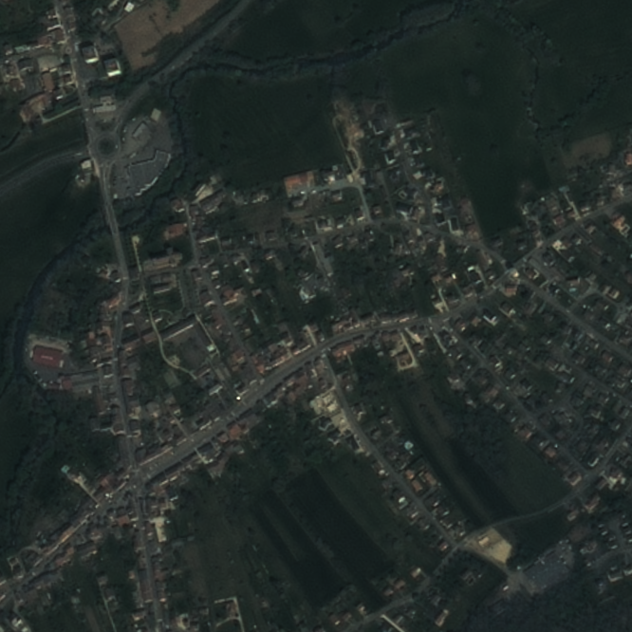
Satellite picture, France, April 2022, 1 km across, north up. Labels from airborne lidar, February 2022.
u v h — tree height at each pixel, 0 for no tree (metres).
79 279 0
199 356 0
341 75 17
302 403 0
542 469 0
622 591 0
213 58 13
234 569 0
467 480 0
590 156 0
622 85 0
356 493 0
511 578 0
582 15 0
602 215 0
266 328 0
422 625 0
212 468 0
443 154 0
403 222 0
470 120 0
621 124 0
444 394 0
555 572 0
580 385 0
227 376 0
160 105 0
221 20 0
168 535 0
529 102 22
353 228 0
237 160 0
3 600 0
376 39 16
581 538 0
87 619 0
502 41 0
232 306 0
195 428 0
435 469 0
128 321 0
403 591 9
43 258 0
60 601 11
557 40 0
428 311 0
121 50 20
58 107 23
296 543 0
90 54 0
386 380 0
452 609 0
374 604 0
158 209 15
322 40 0
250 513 0
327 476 0
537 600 0
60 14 0
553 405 0
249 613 0
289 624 0
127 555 14
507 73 0
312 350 0
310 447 8
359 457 0
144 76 9
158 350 0
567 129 9
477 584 0
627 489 0
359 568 0
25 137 0
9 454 0
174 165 15
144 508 0
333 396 0
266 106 0
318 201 0
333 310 0
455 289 0
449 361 0
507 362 0
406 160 0
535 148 0
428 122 0
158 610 0
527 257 0
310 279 0
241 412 0
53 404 16
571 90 0
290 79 16
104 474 0
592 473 0
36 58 0
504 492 0
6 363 15
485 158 0
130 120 0
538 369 0
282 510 0
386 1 0
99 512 0
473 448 17
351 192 0
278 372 0
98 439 9
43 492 0
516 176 0
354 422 0
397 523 0
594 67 0
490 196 0
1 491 0
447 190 0
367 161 0
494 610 0
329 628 0
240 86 15
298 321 0
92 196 0
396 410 0
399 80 0
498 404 0
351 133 0
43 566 0
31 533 0
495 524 0
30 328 19
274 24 0
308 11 0
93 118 0
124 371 0
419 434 0
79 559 0
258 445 6
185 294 0
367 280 6
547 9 0
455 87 0
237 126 0
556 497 0
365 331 0
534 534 0
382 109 0
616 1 0
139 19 0
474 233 0
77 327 20
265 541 0
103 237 19
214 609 0
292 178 0
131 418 0
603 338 0
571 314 0
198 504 0
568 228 0
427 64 0
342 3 0
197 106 0
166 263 0
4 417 0
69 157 0
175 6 7
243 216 0
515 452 0
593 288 0
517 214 0
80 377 0
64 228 0
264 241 0
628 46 0
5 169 0
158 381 0
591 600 0
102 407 0
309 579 0
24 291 0
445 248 0
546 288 0
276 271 6
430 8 18
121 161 0
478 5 9
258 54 0
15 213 0
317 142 0
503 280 0
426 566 0
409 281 0
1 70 0
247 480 0
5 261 0
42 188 0
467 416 16
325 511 0
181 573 0
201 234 0
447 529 0
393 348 0
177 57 0
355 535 0
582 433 0
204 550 0
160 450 0
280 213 0
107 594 0
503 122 0
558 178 0
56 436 19
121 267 0
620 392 0
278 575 0
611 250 0
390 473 0
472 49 0
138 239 0
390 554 0
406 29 19
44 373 0
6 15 0
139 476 0
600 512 0
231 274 0
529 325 0
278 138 0
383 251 0
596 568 0
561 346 0
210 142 0
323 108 0
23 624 0
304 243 0
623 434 0
